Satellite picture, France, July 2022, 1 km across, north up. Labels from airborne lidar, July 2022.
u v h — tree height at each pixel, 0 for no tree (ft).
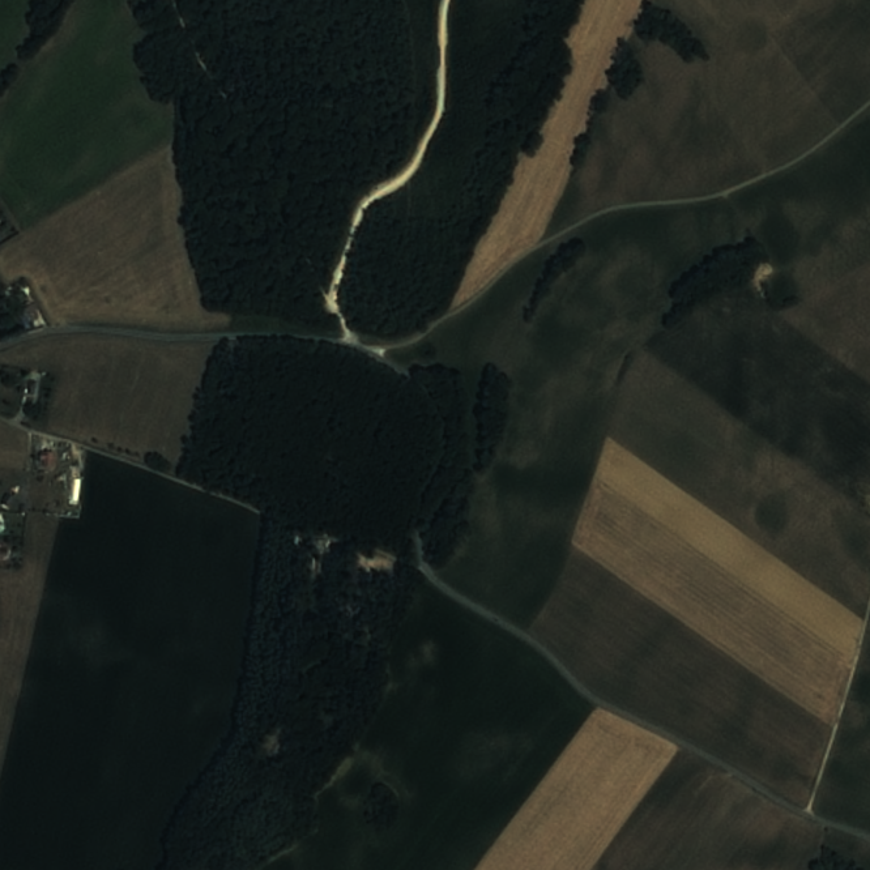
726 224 0
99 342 0
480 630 0
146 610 0
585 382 0
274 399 48
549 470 0
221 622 0
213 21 65
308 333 0
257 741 58
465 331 0
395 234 34
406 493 55
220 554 0
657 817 0
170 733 0
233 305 61
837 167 0
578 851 0
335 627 73
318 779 63
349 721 66
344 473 42
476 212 40
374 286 48
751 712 0
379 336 37
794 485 0
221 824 59
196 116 70
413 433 57
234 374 55
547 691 0
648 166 0
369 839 0
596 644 0
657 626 0
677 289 51
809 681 0
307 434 33
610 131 0
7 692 0
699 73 0
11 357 0
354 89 62
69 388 0
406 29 30
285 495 53
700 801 0
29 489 0
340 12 51
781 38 0
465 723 0
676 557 0
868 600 0
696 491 0
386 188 0
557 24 95
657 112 0
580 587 0
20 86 0
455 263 62
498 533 0
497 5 0
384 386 45
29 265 0
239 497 47
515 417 0
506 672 0
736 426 0
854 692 0
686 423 0
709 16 0
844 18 0
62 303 0
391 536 48
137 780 0
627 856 0
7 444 0
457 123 20
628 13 0
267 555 69
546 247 0
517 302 0
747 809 0
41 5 73
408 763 0
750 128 0
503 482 0
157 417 0
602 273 0
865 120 0
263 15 46
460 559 0
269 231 71
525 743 0
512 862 0
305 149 75
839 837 0
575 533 0
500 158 73
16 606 0
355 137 73
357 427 37
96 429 0
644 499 0
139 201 0
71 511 0
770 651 0
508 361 0
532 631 0
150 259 0
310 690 81
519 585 0
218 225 72
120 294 0
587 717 0
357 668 54
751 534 0
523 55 67
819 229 0
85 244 0
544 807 0
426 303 41
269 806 71
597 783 0
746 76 0
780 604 0
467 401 61
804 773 0
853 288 0
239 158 72
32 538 0
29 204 0
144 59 75
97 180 0
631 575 0
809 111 0
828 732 0
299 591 109
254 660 75
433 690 0
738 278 50
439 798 0
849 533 0
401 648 0
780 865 0
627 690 0
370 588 88
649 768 0
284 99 60
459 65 31
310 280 67
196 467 48
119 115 0
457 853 0
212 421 43
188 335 0
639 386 0
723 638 0
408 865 0
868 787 0
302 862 0
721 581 0
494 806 0
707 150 0
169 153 0
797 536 0
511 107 94
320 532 61
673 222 0
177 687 0
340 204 56
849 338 0
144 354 0
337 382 28
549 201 0
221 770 62
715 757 0
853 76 0
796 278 0
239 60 53
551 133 0
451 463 71
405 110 38
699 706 0
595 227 0
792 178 0
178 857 64
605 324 0
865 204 0
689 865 0
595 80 0
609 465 0
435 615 0
